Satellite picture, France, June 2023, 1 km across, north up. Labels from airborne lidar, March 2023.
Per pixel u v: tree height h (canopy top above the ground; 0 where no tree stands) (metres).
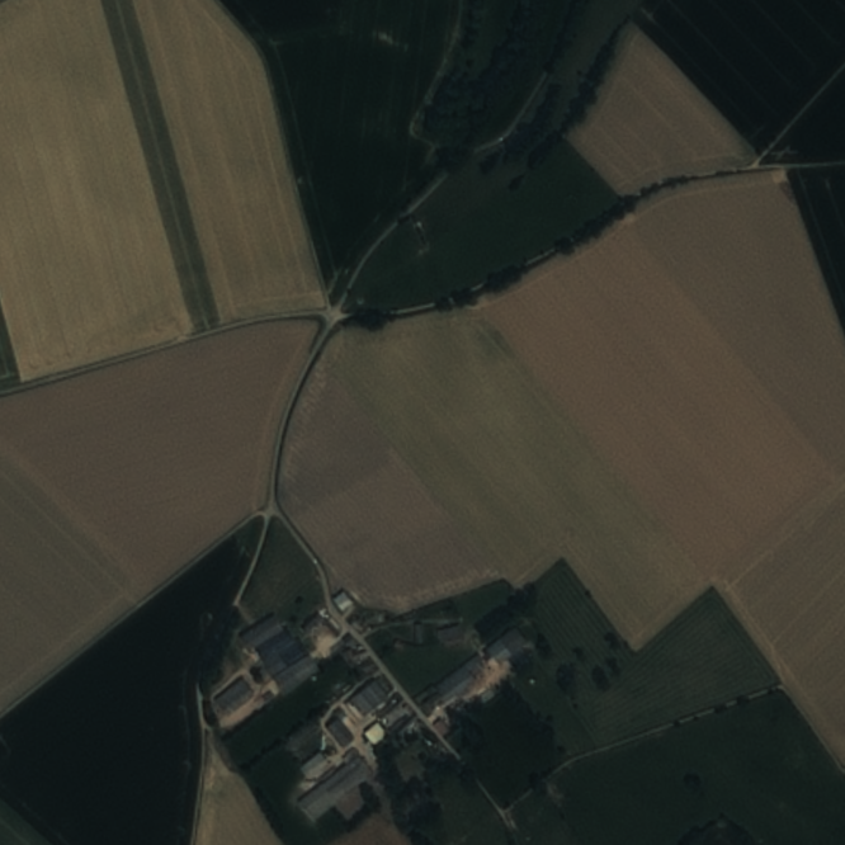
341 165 0
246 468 0
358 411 0
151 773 0
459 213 0
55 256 0
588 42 0
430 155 0
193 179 0
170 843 0
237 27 0
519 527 0
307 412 0
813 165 0
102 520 0
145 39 0
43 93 0
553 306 0
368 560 0
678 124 0
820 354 0
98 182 0
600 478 0
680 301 0
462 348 0
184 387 0
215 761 0
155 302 0
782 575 0
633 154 0
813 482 0
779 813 0
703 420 0
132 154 0
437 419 0
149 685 0
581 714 0
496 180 0
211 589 0
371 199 0
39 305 0
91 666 0
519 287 0
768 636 0
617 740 0
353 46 0
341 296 0
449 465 0
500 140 0
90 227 0
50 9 0
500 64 17
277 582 0
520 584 0
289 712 0
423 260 0
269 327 0
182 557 0
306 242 0
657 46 0
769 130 0
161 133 0
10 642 0
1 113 0
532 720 27
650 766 0
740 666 0
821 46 0
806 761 0
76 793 0
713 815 0
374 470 0
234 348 0
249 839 0
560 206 0
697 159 0
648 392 0
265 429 0
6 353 0
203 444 0
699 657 0
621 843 0
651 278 0
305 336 0
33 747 0
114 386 0
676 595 0
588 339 0
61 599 0
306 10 0
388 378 0
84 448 0
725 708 7
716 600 0
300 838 0
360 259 0
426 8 0
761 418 0
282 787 0
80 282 0
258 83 0
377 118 0
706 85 0
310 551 0
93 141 0
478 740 26
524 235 0
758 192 0
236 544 0
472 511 0
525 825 0
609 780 0
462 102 25
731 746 0
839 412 0
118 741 0
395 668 0
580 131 0
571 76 0
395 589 0
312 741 0
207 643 0
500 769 0
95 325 0
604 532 0
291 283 0
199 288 0
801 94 0
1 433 0
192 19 0
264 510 0
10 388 0
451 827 0
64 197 0
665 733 0
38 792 0
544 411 0
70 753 0
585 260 0
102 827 0
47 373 0
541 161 11
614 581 0
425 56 0
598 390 0
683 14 0
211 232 0
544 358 0
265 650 0
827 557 0
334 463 0
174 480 0
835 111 0
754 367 0
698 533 0
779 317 0
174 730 0
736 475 0
